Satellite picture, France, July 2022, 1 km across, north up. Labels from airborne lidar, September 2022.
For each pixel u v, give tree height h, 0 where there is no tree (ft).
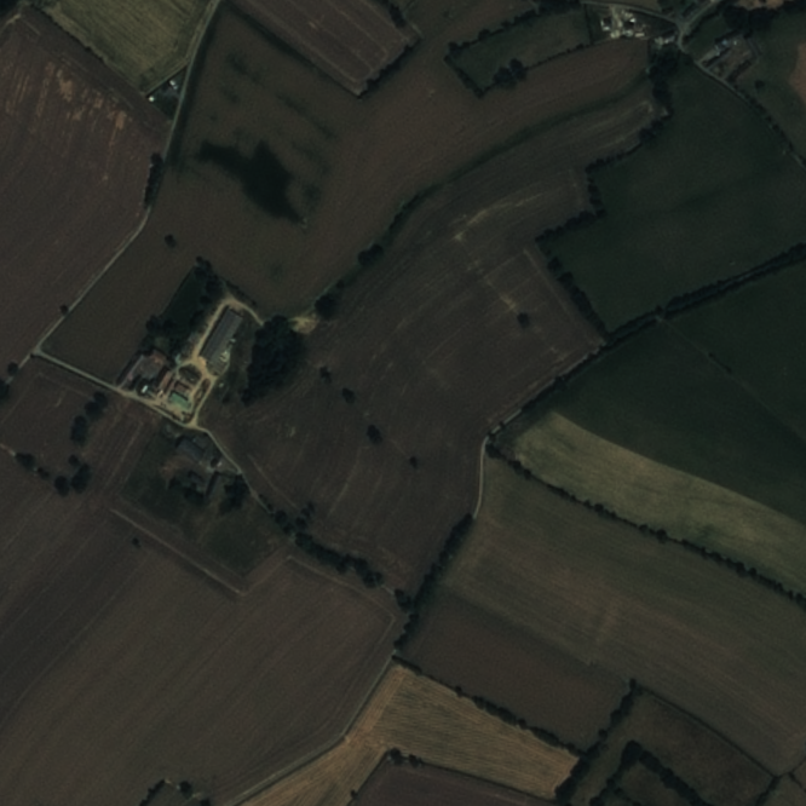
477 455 0
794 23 0
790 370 0
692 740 0
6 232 0
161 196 0
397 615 0
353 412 0
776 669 0
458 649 0
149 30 0
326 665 0
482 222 0
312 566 0
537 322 0
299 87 0
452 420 0
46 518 0
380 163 0
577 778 49
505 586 0
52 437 0
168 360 31
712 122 0
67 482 33
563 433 0
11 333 0
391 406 0
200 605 0
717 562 38
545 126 0
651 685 0
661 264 0
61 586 0
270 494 0
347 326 0
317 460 0
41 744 0
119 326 0
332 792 0
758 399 0
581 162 0
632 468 0
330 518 0
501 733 0
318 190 0
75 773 0
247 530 0
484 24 0
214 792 0
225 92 0
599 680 0
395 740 0
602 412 0
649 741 0
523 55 0
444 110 0
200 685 0
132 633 0
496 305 0
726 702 0
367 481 0
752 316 0
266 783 0
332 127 0
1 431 0
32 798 0
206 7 0
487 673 0
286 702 0
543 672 0
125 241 0
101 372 0
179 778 0
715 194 0
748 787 0
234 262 0
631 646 0
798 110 0
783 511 0
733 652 0
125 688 0
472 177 0
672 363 0
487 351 0
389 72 35
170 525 0
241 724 0
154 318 35
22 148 0
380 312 0
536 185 0
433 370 0
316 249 0
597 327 41
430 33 0
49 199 0
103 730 0
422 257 0
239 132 0
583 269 0
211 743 0
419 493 0
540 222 0
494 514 0
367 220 0
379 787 0
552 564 0
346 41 0
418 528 0
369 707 0
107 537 0
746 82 0
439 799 0
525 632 0
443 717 0
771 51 0
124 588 0
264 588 0
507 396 0
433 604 0
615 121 0
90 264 0
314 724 0
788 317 0
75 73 0
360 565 57
